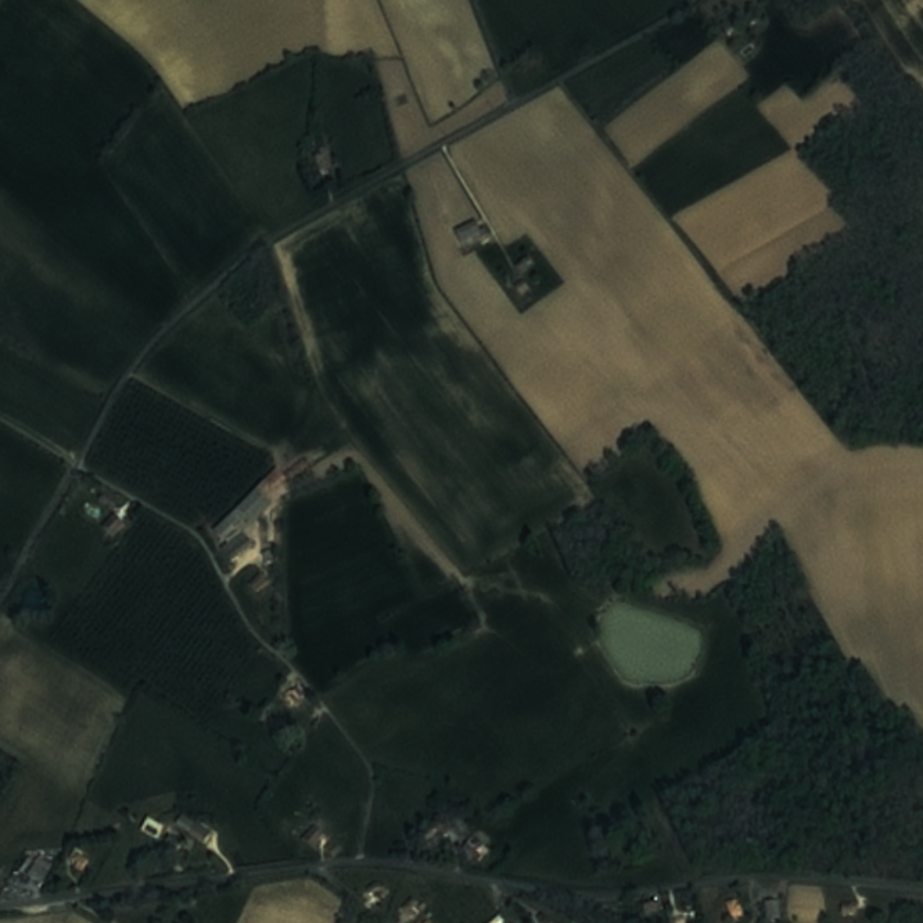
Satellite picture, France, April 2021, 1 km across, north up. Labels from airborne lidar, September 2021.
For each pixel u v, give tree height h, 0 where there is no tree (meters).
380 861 0
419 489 0
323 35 0
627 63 0
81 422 0
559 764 0
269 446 0
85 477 12
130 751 0
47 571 0
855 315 21
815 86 7
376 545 0
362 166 0
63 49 0
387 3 0
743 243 0
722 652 0
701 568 12
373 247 0
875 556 0
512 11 0
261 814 6
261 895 0
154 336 0
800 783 22
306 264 0
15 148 0
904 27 0
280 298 16
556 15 0
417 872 0
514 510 0
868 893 0
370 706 0
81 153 0
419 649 0
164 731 0
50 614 17
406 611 0
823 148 12
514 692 0
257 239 0
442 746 0
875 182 21
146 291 0
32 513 0
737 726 0
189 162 0
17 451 0
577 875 0
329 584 0
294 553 0
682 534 0
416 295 0
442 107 0
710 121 0
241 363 0
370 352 0
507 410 0
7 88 0
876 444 22
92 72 0
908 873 15
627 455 15
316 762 0
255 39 0
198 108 7
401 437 0
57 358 0
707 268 0
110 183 0
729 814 22
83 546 0
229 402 0
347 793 0
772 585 20
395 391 0
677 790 21
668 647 0
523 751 0
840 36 0
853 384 17
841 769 29
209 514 5
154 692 8
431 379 0
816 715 27
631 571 19
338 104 0
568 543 20
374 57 14
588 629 0
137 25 0
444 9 0
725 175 0
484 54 0
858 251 19
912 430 23
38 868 0
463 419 0
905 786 22
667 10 0
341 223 0
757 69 0
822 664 22
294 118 0
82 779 0
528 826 0
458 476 0
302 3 0
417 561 0
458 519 0
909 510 0
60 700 0
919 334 21
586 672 0
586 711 0
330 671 0
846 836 9
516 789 0
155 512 0
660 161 0
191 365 0
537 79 0
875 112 19
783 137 0
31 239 0
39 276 0
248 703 0
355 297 0
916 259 20
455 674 0
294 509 0
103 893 0
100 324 0
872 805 23
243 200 0
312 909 0
